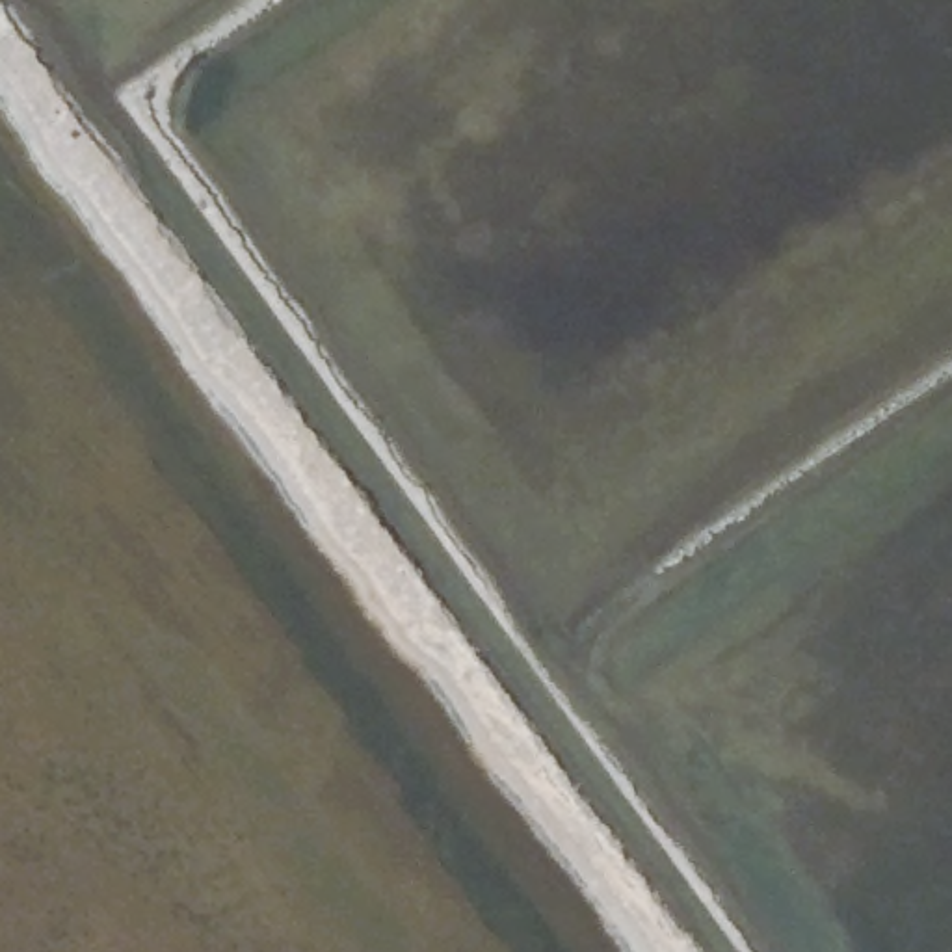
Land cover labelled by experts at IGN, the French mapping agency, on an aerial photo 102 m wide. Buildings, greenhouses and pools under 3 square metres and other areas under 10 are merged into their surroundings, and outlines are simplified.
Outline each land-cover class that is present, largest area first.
<instances>
[{"label":"water","instance_id":"1","mask_svg":"<svg viewBox=\"0 0 952 952\"><path fill-rule=\"evenodd\" d=\"M242 0H0V7L19 41L33 48L37 63L63 93L71 115L100 134V152L123 167V175L138 186L156 223L182 245L186 260L234 316L249 350L279 383L283 398L298 409L301 424L346 472V480L364 498L379 528L420 573L435 602L450 614L465 643L476 651L495 684L506 692V699L539 736L547 755L558 762L573 792L610 829L621 855L636 866L651 896L677 922V930L692 937L699 952H733L714 919L695 900V893L677 874V866L651 840L632 807L614 788V781L584 747V740L569 729L562 710L528 673L521 655L509 647L495 617L487 614V606L454 569L439 539L428 532L413 502L387 476L372 446L335 405L320 376L309 368L301 350L290 342L283 324L264 305V298L231 260L208 219L197 212L179 179L167 171V164L156 156V149L145 141V134L119 104V89L126 82L156 67L186 37L223 19ZM171 126L186 138L197 164L227 197L238 219V234L260 249L283 298L305 312L312 342L342 372L350 394L364 405L372 424L398 450L413 480L435 498L454 536L498 588L506 610L513 614L517 628L528 636L543 666L565 688L580 718L614 751L636 792L647 800L651 814L688 852V859L695 863V870L714 889V896L721 900V907L755 952H952V379L900 409L896 417H889L885 424H878L870 435L829 457L822 469L766 498L747 521L714 536L710 547H703L695 558H684L669 573H655V562L666 558L677 543H684L695 528L736 506L744 495H751L759 483L807 457L818 443L844 431L863 413L878 409L889 394L926 376L945 357H952V0H283L260 11L242 30H234L216 48L193 56L179 71L167 100ZM0 952H621L617 941L606 933L595 904L536 837L528 818L491 781L469 740L461 736L457 721L428 688V681L387 643L376 621H368L346 576L309 539L298 513L271 483V476L249 457L238 435L227 428V420L186 376L175 350L152 324V316L141 309L123 271L100 253V245L74 216V208L37 175L22 138L0 112Z\"/></svg>","mask_w":952,"mask_h":952},{"label":"pervious surface","instance_id":"2","mask_svg":"<svg viewBox=\"0 0 952 952\"><path fill-rule=\"evenodd\" d=\"M283 0H242L223 19L186 37L156 67L126 82L119 89V104L145 134V141L156 149V156L167 164V171L179 179L197 212L208 219L231 260L264 298V305L283 324L290 342L301 350L309 368L320 376L335 405L372 446L387 476L413 502L428 532L439 539L454 569L487 606V614L495 617L509 647L521 655L528 673L562 710L569 729L584 740V747L614 781V788L632 807L651 840L677 866V874L695 893V900L714 919L733 952H755L721 907V900L714 896V889L695 870V863L688 859V852L651 814L647 800L636 792L614 751L580 718L565 688L543 666L528 636L517 628L513 614L506 610L498 588L454 536L435 498L413 480L398 450L372 424L364 405L350 394L342 372L312 342L305 312L283 298L260 249L238 234V219L227 197L197 164L186 138L171 126L167 100L179 71L193 56L216 48L234 30H242L260 11ZM0 112L22 138L37 175L74 208V216L100 245V253L123 271L141 309L152 316V324L175 350L186 376L227 420V428L238 435L249 457L271 476V483L298 513L309 539L346 576L368 621H376L387 643L428 681V688L457 721L461 736L469 740L491 781L528 818L536 837L595 904L606 933L617 941L621 952H699L692 937L677 930V922L651 896L636 866L621 855L610 829L573 792L558 762L547 755L539 736L506 699V692L495 684L476 651L465 643L450 614L435 602L420 573L379 528L364 498L346 480V472L301 424L298 409L283 398L279 383L249 350L234 316L186 260L182 245L156 223L138 186L123 175V167L100 152V134L71 115L63 93L37 63L33 48L19 41L0 7ZM952 379V357H945L926 376L889 394L878 409L863 413L844 431L818 443L807 457L759 483L751 495H744L736 506L695 528L684 543H677L666 558L655 562V573H669L684 558H695L703 547H710L714 536L747 521L766 498L822 469L829 457L870 435L878 424H885L889 417H896L900 409Z\"/></svg>","mask_w":952,"mask_h":952}]
</instances>
